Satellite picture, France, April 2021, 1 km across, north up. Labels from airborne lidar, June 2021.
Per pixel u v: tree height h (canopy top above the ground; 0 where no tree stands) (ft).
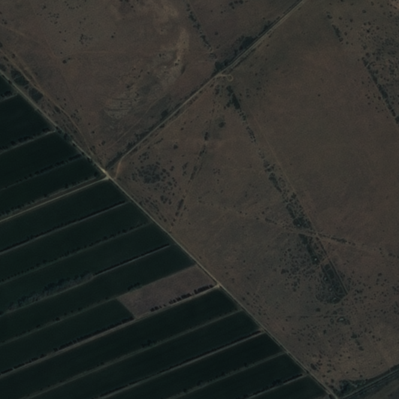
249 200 0
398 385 0
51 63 0
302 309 0
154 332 0
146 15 0
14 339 0
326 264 0
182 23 0
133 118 0
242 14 0
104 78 0
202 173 0
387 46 0
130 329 0
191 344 0
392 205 0
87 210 0
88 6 0
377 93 0
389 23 0
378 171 0
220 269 0
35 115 0
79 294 0
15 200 0
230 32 0
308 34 0
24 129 0
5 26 0
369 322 0
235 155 0
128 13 0
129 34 0
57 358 0
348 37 0
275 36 0
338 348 0
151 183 0
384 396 0
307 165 0
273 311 0
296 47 0
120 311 0
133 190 0
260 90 0
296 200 0
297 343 0
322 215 0
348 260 0
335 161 0
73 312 23
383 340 0
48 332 0
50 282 0
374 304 0
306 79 0
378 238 0
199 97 0
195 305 0
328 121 0
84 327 0
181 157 0
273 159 0
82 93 0
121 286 0
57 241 0
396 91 0
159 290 0
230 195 0
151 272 0
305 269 0
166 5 0
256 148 0
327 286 0
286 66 0
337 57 0
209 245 0
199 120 0
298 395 0
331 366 0
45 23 0
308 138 0
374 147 0
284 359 0
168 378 0
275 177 0
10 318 0
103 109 0
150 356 0
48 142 0
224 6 0
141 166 0
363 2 0
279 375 0
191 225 0
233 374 0
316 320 0
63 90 0
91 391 0
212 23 0
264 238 0
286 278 0
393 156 0
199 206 0
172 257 0
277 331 0
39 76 0
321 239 0
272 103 0
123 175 0
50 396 0
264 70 0
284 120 0
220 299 0
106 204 0
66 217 0
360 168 0
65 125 0
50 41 0
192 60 0
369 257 0
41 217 0
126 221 0
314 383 0
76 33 0
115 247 0
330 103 0
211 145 0
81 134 0
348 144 0
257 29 0
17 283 0
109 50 0
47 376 0
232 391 0
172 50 0
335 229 0
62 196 0
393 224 0
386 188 0
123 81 0
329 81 0
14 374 0
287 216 0
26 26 0
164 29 0
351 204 0
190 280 0
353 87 0
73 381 0
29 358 0
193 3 0
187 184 0
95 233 0
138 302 0
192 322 0
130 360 0
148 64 0
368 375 0
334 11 0
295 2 0
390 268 0
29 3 0
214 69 0
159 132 0
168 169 0
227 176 0
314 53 0
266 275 0
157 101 0
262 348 0
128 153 0
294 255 0
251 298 0
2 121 0
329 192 0
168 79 0
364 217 0
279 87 0
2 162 0
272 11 0
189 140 0
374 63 0
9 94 43
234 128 0
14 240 0
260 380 0
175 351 0
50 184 0
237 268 0
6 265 0
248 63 0
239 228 0
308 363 0
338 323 0
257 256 0
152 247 0
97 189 0
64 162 26
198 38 0
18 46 0
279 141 0
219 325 0
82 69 0
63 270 0
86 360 0
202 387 53
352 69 0
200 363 0
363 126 0
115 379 0
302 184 0
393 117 0
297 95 0
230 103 0
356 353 0
